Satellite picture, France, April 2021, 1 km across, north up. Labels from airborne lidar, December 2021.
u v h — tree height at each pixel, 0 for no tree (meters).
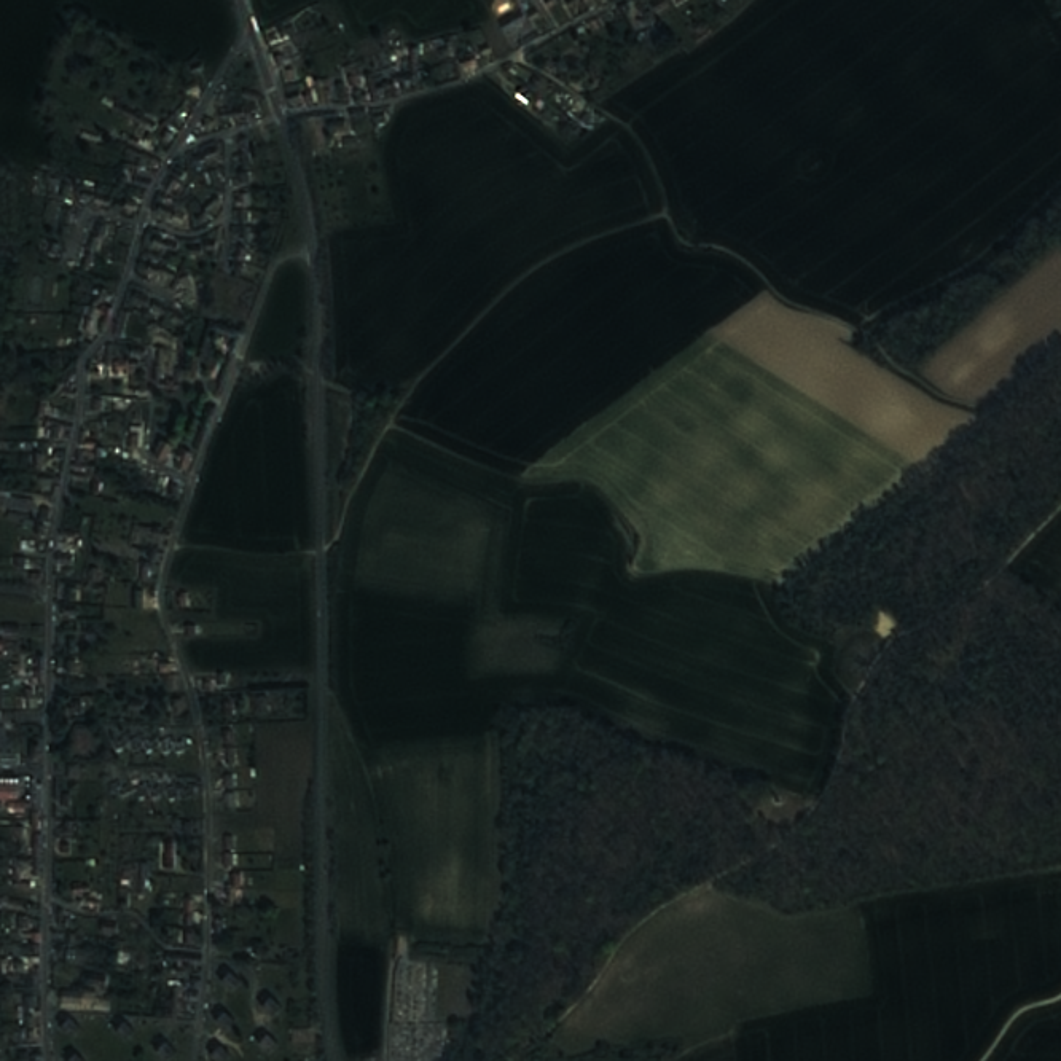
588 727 13
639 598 0
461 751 0
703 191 0
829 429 0
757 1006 0
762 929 0
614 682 0
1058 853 23
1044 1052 0
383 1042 0
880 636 0
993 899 0
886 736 18
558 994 21
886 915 0
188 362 17
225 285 0
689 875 12
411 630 0
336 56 0
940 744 18
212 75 0
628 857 19
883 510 11
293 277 0
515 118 0
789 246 0
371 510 0
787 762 0
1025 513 16
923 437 0
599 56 9
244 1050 0
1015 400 21
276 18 0
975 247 0
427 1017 0
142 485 13
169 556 0
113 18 0
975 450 24
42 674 0
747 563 0
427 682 0
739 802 21
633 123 0
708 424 0
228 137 0
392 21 0
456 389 0
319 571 0
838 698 0
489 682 0
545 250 0
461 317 0
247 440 0
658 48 14
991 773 21
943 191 0
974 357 0
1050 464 19
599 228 0
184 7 0
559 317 0
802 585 15
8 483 15
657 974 0
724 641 0
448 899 0
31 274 0
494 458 0
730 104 0
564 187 0
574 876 16
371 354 0
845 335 0
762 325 0
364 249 0
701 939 0
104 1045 0
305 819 11
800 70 0
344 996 0
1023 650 17
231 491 0
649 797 26
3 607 0
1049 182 0
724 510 0
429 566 0
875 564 15
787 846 16
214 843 0
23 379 19
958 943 0
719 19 11
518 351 0
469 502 0
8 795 0
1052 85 0
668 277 0
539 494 0
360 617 0
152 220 0
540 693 0
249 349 0
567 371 0
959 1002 0
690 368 0
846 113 0
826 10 0
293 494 0
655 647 0
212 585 0
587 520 0
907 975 0
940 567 18
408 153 0
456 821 0
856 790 22
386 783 0
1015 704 15
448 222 0
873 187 0
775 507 0
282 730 0
